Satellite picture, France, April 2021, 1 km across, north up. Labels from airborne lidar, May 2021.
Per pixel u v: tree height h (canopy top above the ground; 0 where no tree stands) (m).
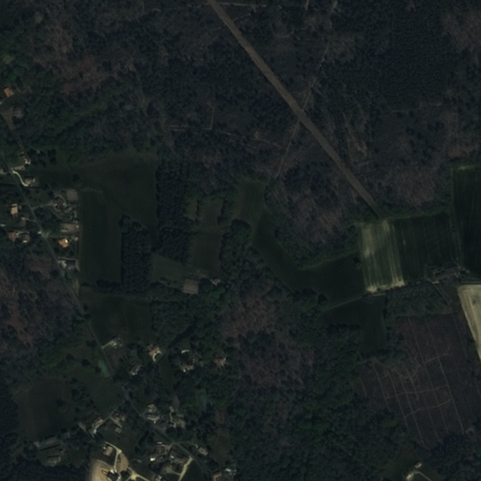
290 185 21
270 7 12
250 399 14
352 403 18
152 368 11
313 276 0
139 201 0
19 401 0
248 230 24
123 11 14
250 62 16
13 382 18
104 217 0
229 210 15
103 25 16
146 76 17
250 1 15
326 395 18
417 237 0
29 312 23
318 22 9
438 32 22
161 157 18
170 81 22
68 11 22
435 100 16
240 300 20
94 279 0
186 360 12
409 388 0
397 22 22
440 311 13
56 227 20
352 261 0
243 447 16
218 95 8
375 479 25
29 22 19
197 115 9
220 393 19
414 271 0
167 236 20
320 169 9
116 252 0
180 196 20
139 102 17
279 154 6
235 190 21
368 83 22
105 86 16
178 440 11
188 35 6
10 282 13
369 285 0
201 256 0
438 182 15
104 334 0
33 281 9
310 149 6
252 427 25
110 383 0
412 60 23
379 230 0
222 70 22
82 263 0
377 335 0
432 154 10
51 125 22
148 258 20
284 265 0
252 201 0
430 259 0
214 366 18
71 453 6
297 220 15
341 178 12
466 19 18
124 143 20
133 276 21
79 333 19
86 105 21
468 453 20
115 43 20
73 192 0
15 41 19
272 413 16
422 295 15
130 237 20
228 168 17
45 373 9
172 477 0
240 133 15
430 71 23
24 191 18
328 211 18
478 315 0
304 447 21
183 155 19
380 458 20
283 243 19
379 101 18
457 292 11
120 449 0
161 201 19
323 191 19
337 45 11
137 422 12
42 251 20
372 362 17
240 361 13
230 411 6
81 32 11
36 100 20
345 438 14
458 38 11
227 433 14
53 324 20
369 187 10
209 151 17
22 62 22
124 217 8
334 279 0
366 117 12
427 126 8
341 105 23
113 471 0
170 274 0
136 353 16
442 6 23
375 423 22
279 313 16
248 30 7
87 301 0
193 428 11
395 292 15
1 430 19
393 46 17
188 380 17
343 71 21
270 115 18
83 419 9
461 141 11
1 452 18
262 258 12
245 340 17
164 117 14
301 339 16
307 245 19
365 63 16
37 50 11
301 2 12
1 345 15
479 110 18
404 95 22
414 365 17
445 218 0
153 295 14
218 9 0
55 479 18
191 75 13
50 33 16
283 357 17
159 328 16
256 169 18
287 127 16
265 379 13
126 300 0
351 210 21
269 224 0
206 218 0
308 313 18
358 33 19
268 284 15
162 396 18
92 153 20
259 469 17
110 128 19
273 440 14
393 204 18
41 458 0
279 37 8
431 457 11
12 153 21
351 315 0
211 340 22
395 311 17
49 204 0
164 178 20
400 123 8
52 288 16
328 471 23
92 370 10
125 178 0
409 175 11
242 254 8
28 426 0
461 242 0
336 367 18
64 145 24
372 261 0
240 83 18
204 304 14
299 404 17
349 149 22
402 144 11
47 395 0
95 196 0
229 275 19
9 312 14
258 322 7
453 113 10
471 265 0
